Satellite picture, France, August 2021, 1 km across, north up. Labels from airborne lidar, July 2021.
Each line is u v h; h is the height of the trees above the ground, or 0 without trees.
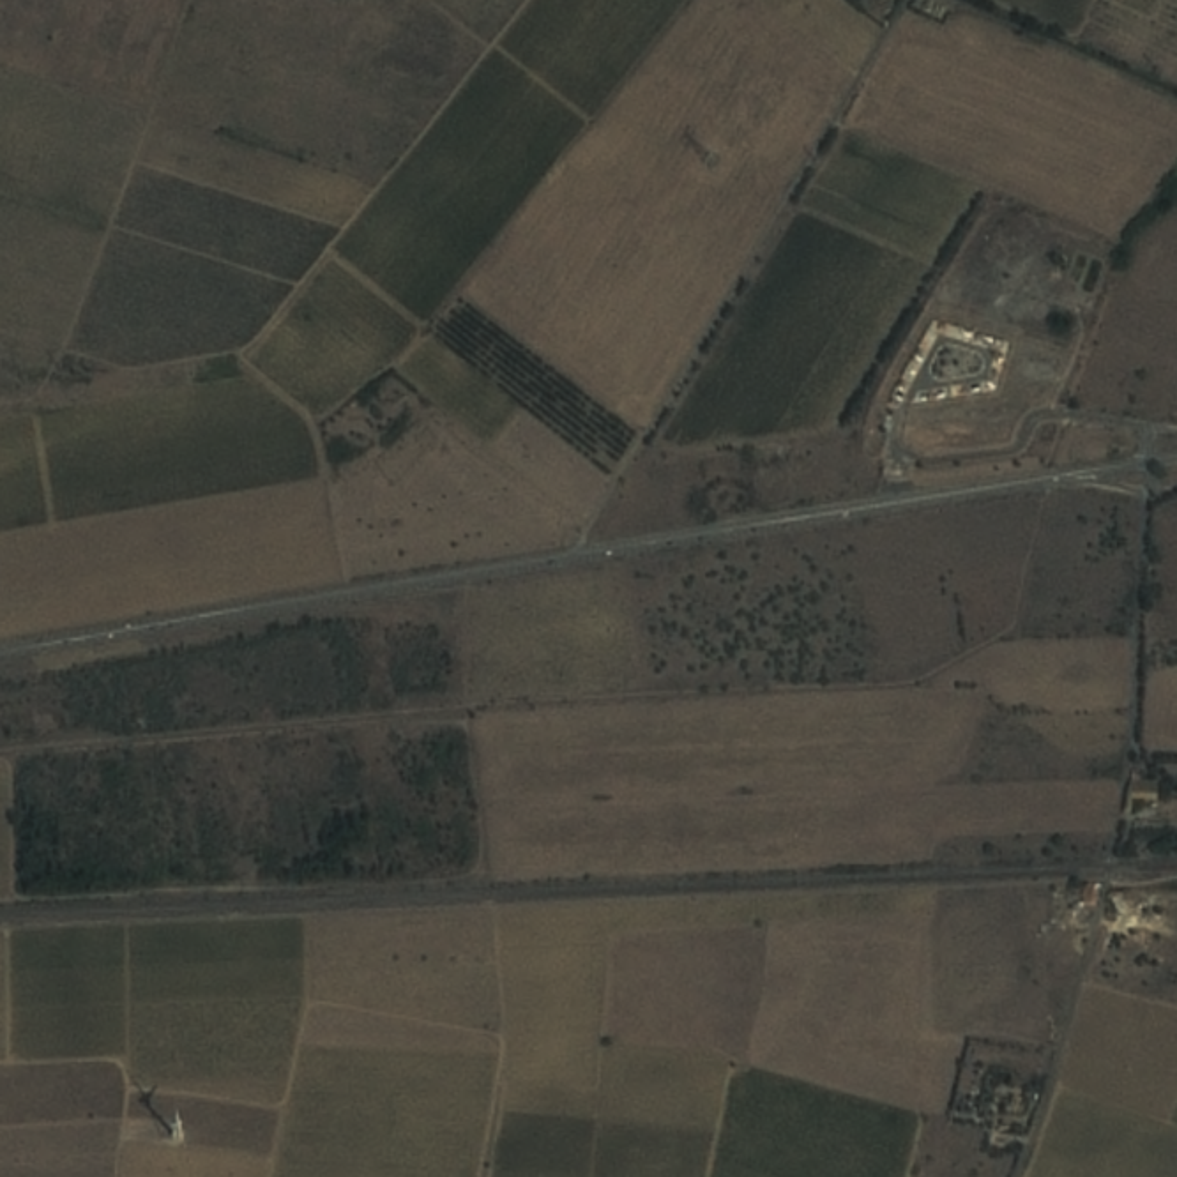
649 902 0
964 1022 0
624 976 0
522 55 0
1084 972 0
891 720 0
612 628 0
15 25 0
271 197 0
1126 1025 0
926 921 0
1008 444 0
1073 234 0
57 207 0
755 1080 0
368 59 0
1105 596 0
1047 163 0
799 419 0
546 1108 0
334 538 0
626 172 0
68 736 0
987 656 0
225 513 0
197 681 0
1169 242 0
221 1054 0
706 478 0
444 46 0
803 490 0
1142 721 8
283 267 0
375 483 0
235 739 0
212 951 0
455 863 8
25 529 0
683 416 0
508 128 0
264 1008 0
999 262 0
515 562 0
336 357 0
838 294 0
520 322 0
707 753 0
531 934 0
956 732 0
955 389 0
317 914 0
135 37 0
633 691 0
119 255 0
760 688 0
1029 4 0
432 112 0
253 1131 0
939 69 0
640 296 0
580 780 0
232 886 0
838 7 0
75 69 0
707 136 0
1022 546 0
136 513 0
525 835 0
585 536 0
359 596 0
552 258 0
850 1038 0
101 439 0
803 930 0
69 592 0
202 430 0
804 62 0
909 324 9
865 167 0
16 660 0
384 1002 0
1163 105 0
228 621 0
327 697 0
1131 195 0
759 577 0
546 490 0
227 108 0
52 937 0
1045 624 0
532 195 0
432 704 0
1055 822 0
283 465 0
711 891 0
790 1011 0
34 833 16
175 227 0
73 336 0
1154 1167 0
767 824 0
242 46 0
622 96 0
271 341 0
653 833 0
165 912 0
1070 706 0
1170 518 0
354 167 0
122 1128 0
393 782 0
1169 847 9
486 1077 0
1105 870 0
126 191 0
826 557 0
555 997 0
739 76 0
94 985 0
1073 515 0
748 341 0
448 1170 0
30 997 0
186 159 0
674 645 0
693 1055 0
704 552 0
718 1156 0
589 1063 0
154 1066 0
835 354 0
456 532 0
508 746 0
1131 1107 0
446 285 0
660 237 0
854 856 0
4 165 0
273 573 0
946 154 0
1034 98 0
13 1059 0
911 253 0
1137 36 0
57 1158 0
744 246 0
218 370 0
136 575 0
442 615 0
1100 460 0
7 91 0
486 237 0
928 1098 0
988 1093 6
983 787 0
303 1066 0
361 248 0
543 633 0
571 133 0
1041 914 0
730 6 0
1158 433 0
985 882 0
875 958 0
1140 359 0
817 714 0
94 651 0
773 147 0
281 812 0
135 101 0
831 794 0
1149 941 0
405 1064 0
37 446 0
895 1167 0
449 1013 0
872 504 0
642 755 0
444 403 0
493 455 0
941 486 0
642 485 0
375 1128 0
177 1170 0
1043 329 0
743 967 0
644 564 0
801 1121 0
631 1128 0
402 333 0
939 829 0
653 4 0
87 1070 0
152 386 0
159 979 0
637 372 0
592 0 0
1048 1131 0
